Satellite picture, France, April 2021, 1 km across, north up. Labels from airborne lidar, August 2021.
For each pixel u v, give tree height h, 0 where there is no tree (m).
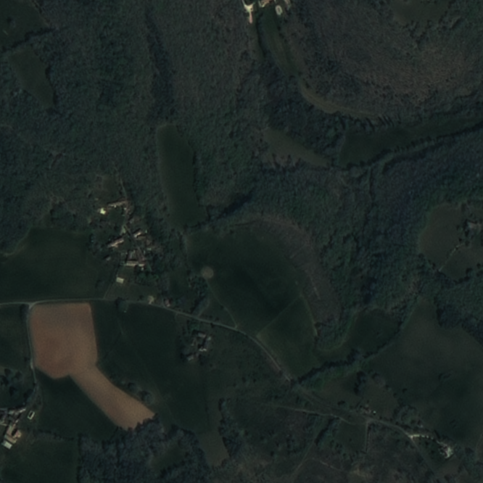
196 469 21
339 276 17
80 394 0
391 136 0
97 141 17
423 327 0
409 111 20
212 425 0
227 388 0
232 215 20
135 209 9
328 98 14
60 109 21
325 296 0
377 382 19
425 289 19
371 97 13
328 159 7
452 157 15
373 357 8
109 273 0
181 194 0
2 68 19
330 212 20
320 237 22
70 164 14
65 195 14
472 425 0
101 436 0
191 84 17
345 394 0
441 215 0
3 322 0
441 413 0
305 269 0
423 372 0
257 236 0
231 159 20
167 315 0
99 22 12
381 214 22
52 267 0
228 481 0
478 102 7
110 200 0
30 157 13
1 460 0
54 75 22
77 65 18
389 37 17
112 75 13
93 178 11
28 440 0
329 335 21
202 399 0
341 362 0
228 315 0
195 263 0
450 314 22
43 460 0
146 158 10
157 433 21
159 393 0
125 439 15
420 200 19
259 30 16
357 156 0
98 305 0
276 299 0
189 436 14
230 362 0
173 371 0
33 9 0
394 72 14
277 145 0
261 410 0
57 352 0
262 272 0
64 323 0
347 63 13
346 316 16
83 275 0
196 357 7
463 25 21
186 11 20
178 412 0
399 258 17
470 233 18
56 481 0
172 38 20
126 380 0
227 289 0
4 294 0
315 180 10
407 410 14
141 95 14
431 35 16
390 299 16
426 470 21
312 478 0
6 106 22
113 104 16
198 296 12
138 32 18
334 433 11
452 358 0
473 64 18
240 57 9
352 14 15
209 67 17
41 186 14
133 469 23
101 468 21
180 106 13
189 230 15
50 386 0
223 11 12
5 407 0
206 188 13
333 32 13
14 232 17
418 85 10
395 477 0
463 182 22
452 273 0
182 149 0
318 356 0
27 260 0
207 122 25
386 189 21
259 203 22
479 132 20
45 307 0
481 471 21
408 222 24
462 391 0
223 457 0
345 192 14
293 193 22
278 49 0
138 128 18
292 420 0
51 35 19
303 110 19
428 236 0
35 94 0
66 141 17
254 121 13
